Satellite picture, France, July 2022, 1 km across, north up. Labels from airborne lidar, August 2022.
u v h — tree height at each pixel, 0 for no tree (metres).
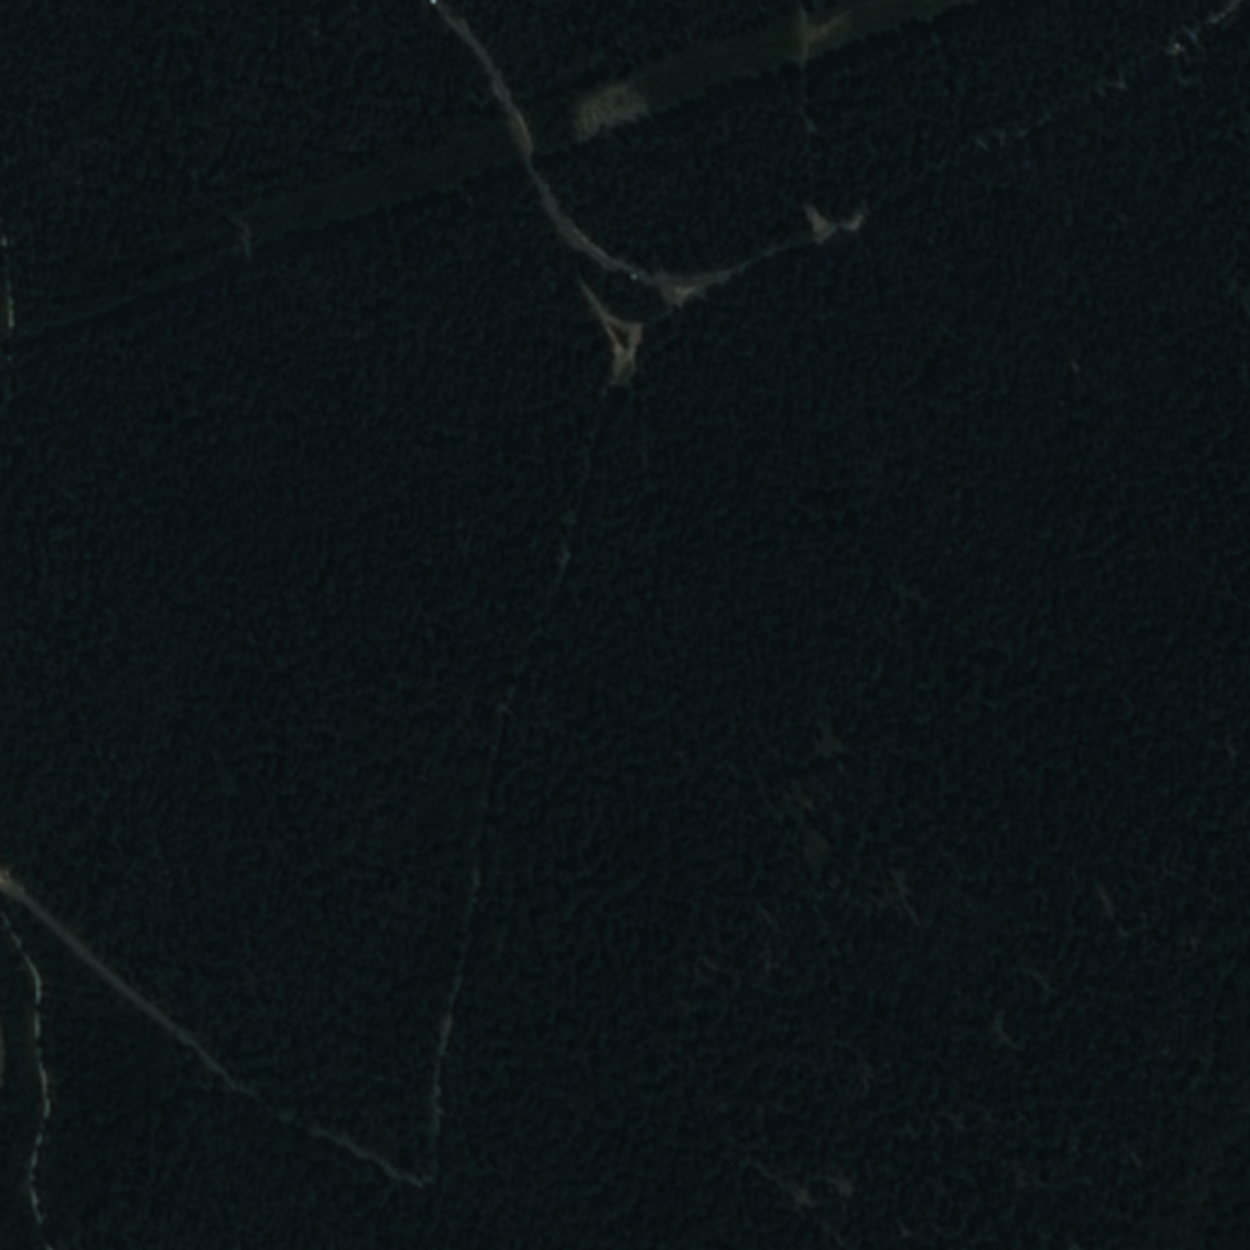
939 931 25
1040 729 20
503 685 22
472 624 21
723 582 28
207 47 17
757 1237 23
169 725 26
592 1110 21
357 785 18
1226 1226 29
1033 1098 18
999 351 31
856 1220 18
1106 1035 24
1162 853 22
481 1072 15
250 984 19
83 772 7
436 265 25
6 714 19
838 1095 26
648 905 21
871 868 23
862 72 24
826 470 21
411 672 21
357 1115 20
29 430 28
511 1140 18
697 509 28
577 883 17
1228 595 20
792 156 25
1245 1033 22
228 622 29
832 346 21
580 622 19
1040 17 29
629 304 22
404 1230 23
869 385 28
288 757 21
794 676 28
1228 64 31
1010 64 29
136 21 24
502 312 22
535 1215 25
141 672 28
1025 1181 7
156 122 17
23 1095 16
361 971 23
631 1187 25
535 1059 21
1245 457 26
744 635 30
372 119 19
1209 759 26
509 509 15
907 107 25
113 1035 7
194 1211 25
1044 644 27
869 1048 12
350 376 21
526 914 12
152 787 25
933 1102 19
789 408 28
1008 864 20
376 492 21
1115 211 25
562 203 17
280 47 19
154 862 28
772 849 27
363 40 18
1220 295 30
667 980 23
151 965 23
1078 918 25
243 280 26
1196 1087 22
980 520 22
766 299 26
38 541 22
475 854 17
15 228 30
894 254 27
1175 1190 13
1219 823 18
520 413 21
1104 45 23
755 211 24
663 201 27
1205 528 28
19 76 29
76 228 20
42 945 7
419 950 20
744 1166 9
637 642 27
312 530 23
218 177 17
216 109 15
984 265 20
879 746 21
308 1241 23
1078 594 19
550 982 19
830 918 21
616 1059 18
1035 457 29
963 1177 16
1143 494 31
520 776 23
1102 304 27
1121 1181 18
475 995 12
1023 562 25
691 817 26
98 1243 7
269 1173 23
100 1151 11
